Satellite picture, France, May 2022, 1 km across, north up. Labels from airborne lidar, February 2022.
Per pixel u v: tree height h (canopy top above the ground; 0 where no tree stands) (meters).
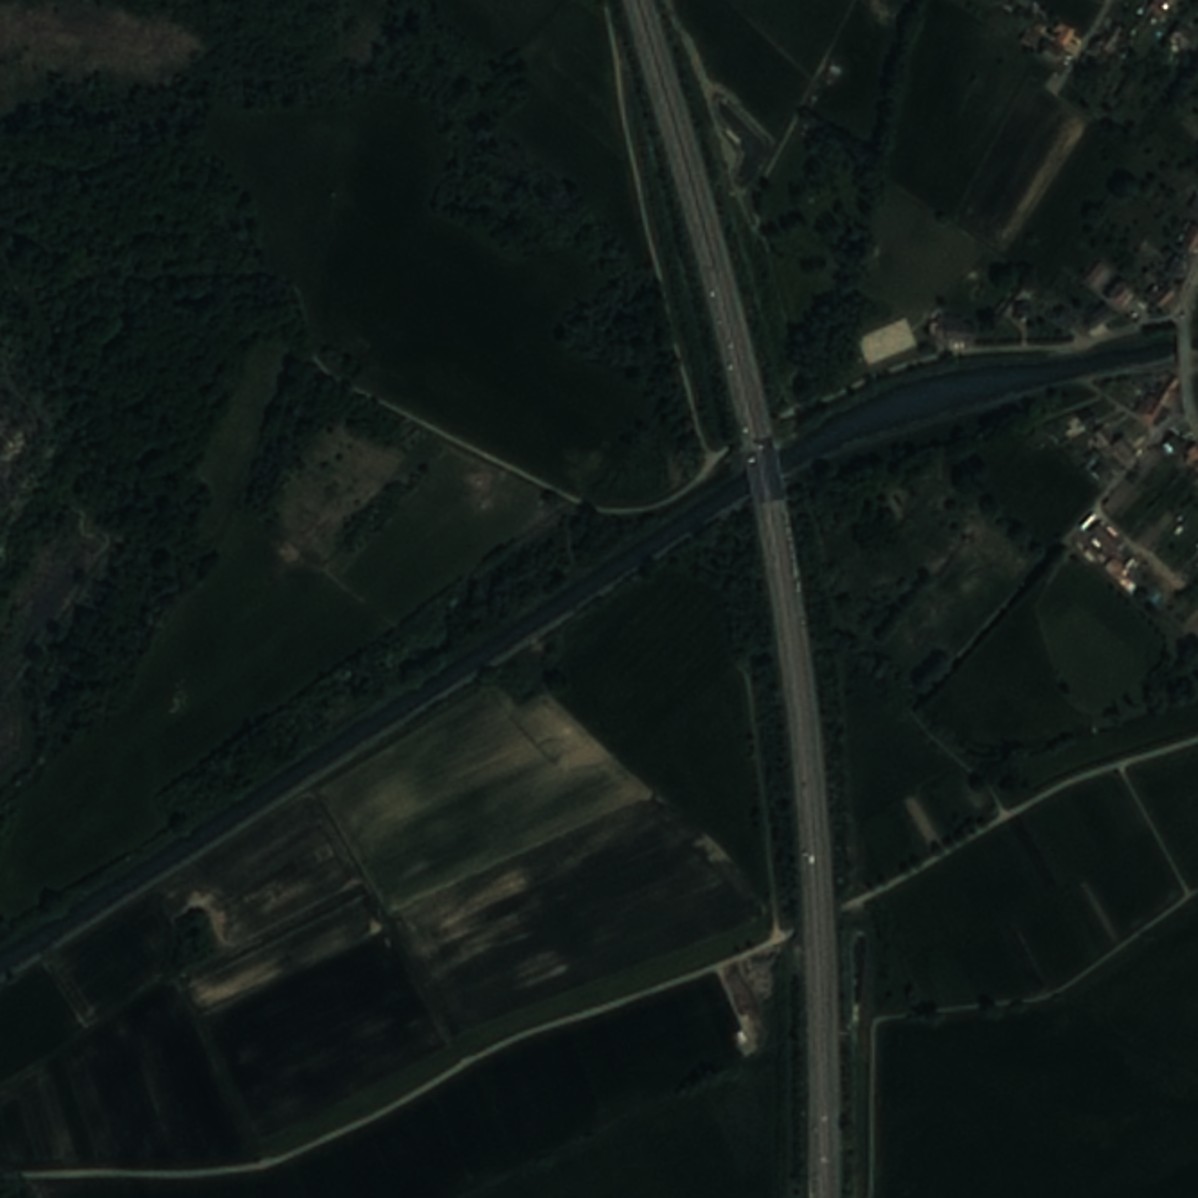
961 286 0
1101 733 0
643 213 0
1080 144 0
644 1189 0
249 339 9
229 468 0
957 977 0
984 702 0
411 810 0
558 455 0
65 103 14
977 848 0
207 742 0
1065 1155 0
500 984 0
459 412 0
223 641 0
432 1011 0
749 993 0
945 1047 0
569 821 0
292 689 0
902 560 0
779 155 0
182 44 0
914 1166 0
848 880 7
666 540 0
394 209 0
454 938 0
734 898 0
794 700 0
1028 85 0
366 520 6
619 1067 0
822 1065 0
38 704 15
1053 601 0
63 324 10
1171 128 0
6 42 0
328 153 0
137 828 0
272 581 0
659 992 0
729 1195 0
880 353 0
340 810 0
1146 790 0
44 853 0
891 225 0
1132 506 0
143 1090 0
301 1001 0
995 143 0
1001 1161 0
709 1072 15
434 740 0
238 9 14
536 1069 0
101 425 23
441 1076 0
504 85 12
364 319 0
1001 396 0
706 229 0
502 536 0
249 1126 0
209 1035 0
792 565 0
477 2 0
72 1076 0
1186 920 0
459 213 16
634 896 0
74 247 18
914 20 18
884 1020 0
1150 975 0
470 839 0
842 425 0
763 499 0
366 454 0
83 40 0
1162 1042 0
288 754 10
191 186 24
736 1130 0
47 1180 0
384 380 0
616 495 0
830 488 21
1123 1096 0
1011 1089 0
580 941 0
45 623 0
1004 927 0
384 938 0
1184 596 7
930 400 0
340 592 0
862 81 0
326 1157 0
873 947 0
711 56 0
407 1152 0
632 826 0
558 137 0
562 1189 0
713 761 0
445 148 0
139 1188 0
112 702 9
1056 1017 0
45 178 21
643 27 0
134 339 20
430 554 0
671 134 0
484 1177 0
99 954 0
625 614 0
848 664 0
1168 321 0
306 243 0
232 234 17
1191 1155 0
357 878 0
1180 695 20
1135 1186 0
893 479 16
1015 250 0
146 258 10
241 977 0
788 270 0
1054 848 0
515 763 0
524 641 0
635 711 0
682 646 0
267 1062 0
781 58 0
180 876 0
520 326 0
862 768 0
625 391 0
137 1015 0
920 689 14
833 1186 0
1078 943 0
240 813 0
